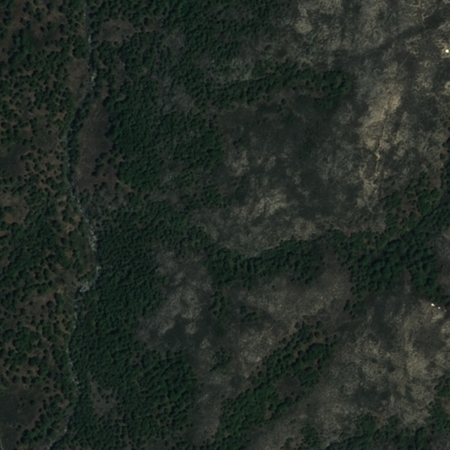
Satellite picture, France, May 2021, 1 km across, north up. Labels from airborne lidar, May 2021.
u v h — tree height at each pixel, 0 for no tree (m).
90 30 9
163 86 0
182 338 0
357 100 0
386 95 0
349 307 14
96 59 10
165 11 8
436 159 0
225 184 0
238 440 13
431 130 0
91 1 16
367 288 18
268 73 11
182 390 24
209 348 0
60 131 8
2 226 18
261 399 15
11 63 16
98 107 0
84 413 17
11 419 0
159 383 23
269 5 11
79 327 13
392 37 0
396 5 0
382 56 0
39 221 13
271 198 0
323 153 0
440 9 0
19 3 0
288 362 16
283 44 0
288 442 8
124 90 16
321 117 0
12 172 0
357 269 13
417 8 0
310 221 0
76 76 0
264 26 10
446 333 0
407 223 10
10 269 16
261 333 0
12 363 19
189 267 0
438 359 0
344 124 0
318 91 8
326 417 0
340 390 0
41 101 16
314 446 16
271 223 0
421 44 0
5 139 11
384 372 0
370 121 0
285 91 0
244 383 0
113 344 23
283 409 12
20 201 0
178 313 0
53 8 20
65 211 11
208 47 8
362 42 0
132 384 19
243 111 0
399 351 0
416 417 0
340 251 11
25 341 27
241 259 13
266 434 0
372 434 16
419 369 0
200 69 12
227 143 0
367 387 0
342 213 0
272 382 10
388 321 0
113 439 16
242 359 0
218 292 12
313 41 6
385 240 17
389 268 9
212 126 14
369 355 0
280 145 0
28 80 22
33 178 11
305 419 0
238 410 21
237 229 0
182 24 13
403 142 0
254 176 0
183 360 11
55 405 23
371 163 0
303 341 13
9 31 10
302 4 0
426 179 12
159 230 9
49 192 15
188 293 0
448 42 0
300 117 0
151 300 21
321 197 0
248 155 0
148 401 16
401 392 0
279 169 0
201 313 0
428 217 12
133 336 15
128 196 7
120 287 14
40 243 16
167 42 0
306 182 0
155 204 9
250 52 0
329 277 0
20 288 15
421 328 0
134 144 14
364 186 0
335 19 0
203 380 0
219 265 11
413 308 0
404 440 18
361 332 0
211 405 0
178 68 9
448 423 10
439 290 17
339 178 0
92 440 21
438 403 9
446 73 0
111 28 0
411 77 0
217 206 12
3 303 17
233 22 11
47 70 15
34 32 0
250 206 0
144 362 15
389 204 13
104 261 8
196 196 12
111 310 16
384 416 0
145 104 11
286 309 0
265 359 7
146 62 14
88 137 0
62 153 11
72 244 17
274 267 16
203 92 14
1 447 0
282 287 0
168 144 10
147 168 10
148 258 13
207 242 16
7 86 17
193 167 12
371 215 8
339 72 13
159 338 0
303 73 14
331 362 0
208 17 12
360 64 0
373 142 0
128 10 12
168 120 13
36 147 16
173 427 17
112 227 10
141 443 18
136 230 12
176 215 13
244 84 9
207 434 0
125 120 16
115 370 16
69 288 0
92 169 0
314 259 7
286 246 16
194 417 0
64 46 18
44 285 16
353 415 0
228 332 0
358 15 0
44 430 28
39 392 0
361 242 17
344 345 0
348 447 8
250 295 0
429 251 12
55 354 19
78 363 12
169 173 0
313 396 0
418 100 0
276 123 0
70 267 19
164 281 8
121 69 0
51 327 16
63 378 23
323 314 0
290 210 0
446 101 0
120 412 11
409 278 0
